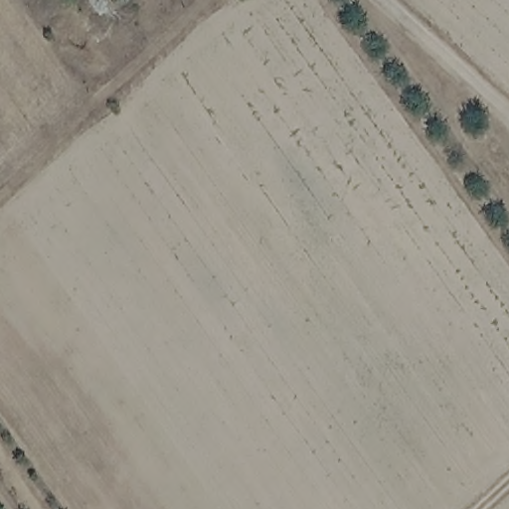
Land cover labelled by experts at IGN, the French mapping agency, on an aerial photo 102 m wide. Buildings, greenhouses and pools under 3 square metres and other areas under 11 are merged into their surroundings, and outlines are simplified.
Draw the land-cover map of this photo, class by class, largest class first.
<instances>
[{"label":"agricultural land","instance_id":"1","mask_svg":"<svg viewBox=\"0 0 509 509\"><path fill-rule=\"evenodd\" d=\"M348 32L342 28L338 16L334 20L326 18L320 0H227V6L217 10L213 16L205 18L187 36L183 44H179L165 60L157 62V66L143 80V84L131 87L125 101L119 105L115 97H107L101 101L93 99L89 91H84L80 82H76L66 72L60 60L54 56L52 44L44 38L42 30L34 24L32 16L20 0H0V439L4 445L14 439L18 447L32 461L36 473L44 479L46 487L54 493L62 509H461L479 491H483L501 471L509 467V251L505 249V245L497 249L487 239L485 227L489 225L485 215L477 219L467 211L465 203L449 187L443 169L435 165L424 143L410 131L408 121L404 117L406 111L400 103L390 99L382 89V82L386 80L382 74L374 76L368 70L366 64L372 60L364 50L358 54L348 46ZM441 30L449 32L453 42H457L477 64H481L509 91V0H410Z\"/></svg>","mask_w":509,"mask_h":509},{"label":"herbaceous vegetation","instance_id":"2","mask_svg":"<svg viewBox=\"0 0 509 509\"><path fill-rule=\"evenodd\" d=\"M32 16L34 24L42 30L44 38L52 44L54 56L60 60L66 72L76 82H80L84 91H89L93 99L101 101L107 97H115L119 105L125 101L131 87L143 84V80L157 66V62L165 60L179 44H183L187 36L205 18L213 16L217 10L227 6V0H20ZM358 2V0H320L326 18L334 20L338 16L344 4ZM366 12V24L360 26L354 34L348 32V46L358 54L364 50L362 40L368 32H378L386 38L388 50L380 54L376 60H372L366 64L368 70L374 76L382 74L384 62L398 60L400 64H404L412 84L420 85L422 91L427 93L431 113L439 115L447 125L445 135H441L437 141L429 139L425 131L427 121L420 115L406 111L404 117L408 121L410 131L424 143L435 165L443 169L449 187L465 203L467 211L477 219L485 215L505 207L509 217V129L499 119L487 113V127L483 129V133L471 135L461 127L459 113L463 105L475 99L477 95L471 91V87L461 78L441 68V64L410 36L406 26L378 12L370 2L362 8ZM455 141L463 149V159L457 167H451L447 163V155L443 149H449ZM467 173H479L487 181L489 191L477 199L471 197L463 183ZM382 89L390 99L400 103L402 89L386 80L382 82ZM487 239L497 249L505 245V249L509 251V219L499 227L489 225L485 227ZM18 447L14 439L4 445L0 439V509H62L54 493L46 487L44 479L36 473L28 477V473H24L22 467L14 461L12 453Z\"/></svg>","mask_w":509,"mask_h":509},{"label":"pervious surface","instance_id":"3","mask_svg":"<svg viewBox=\"0 0 509 509\"><path fill-rule=\"evenodd\" d=\"M370 2L378 12L406 26L410 36L441 64V68L461 78L471 87V91L477 95L475 99L481 101L487 113L499 119L509 129V91L481 64H477L457 42H453L449 32L441 30L410 0H358V2L362 8ZM461 509H509V467L501 471L483 491H479Z\"/></svg>","mask_w":509,"mask_h":509},{"label":"deciduous trees","instance_id":"4","mask_svg":"<svg viewBox=\"0 0 509 509\"><path fill-rule=\"evenodd\" d=\"M342 28L348 32L354 34L360 26L366 24V12L362 8L358 2L344 4L338 16ZM364 50L372 60H376L380 54L388 50L386 38L378 32H368L362 40ZM382 74L386 80L402 89L400 103L406 111L420 115L427 121L425 131L429 139L437 141L441 135H445L447 125L439 115L431 113L427 93L422 91L420 85L412 84L404 64H400L398 60L384 62ZM461 127L471 135L483 133V129L487 127V113L481 101L475 99L463 105L459 113ZM447 155V163L451 167H457L463 159V149L455 141L449 149H443ZM463 183L471 197L477 199L489 191L487 181L479 173H467ZM489 225L499 227L509 219V217L505 207L485 215ZM14 461L22 467L24 473H28V477L36 473L32 461L18 447L12 453Z\"/></svg>","mask_w":509,"mask_h":509}]
</instances>
